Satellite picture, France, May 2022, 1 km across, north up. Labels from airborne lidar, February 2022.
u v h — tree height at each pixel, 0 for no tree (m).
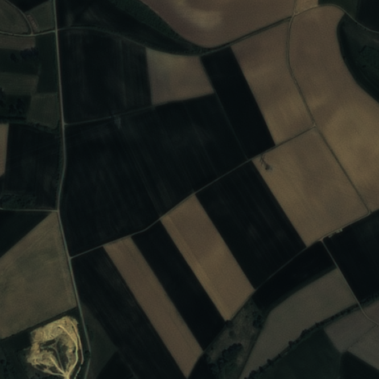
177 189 0
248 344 0
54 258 0
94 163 0
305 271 0
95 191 0
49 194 0
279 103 0
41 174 0
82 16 0
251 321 0
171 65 0
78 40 0
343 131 0
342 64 0
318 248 0
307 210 0
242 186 0
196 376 0
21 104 26
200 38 0
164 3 0
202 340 0
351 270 0
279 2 0
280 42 0
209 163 0
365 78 0
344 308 0
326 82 0
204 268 0
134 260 0
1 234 0
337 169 0
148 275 0
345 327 0
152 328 0
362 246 0
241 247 0
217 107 0
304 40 0
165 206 0
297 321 0
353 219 0
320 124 0
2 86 0
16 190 0
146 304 0
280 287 0
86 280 0
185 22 0
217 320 0
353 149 0
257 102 0
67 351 0
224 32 0
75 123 0
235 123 0
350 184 0
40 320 0
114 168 0
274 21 0
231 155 0
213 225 0
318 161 0
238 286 0
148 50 0
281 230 0
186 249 0
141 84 0
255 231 0
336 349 0
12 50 0
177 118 0
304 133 0
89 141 0
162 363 0
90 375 0
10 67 0
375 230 0
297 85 0
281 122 0
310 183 0
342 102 0
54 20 0
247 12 0
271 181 0
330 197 0
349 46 0
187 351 0
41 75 0
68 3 0
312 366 0
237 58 0
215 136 0
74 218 0
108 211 0
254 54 0
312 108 0
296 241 0
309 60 0
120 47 0
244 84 0
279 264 0
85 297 0
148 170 0
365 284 0
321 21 0
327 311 0
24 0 0
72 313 0
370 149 0
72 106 0
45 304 0
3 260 0
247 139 0
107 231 0
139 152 0
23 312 0
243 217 0
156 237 0
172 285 0
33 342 0
